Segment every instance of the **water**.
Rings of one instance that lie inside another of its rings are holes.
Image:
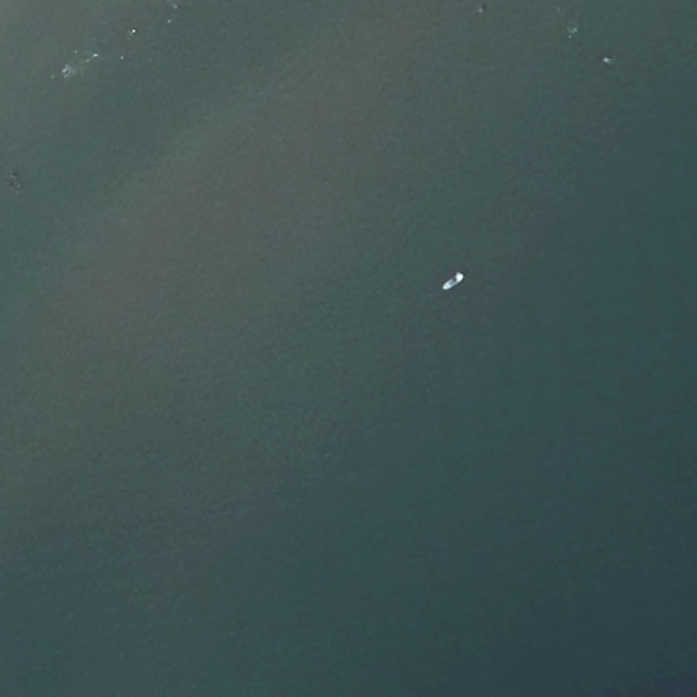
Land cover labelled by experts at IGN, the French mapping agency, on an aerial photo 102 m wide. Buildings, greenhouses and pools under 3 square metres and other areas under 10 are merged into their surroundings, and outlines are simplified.
[[[697,697],[697,0],[0,0],[0,697]]]

